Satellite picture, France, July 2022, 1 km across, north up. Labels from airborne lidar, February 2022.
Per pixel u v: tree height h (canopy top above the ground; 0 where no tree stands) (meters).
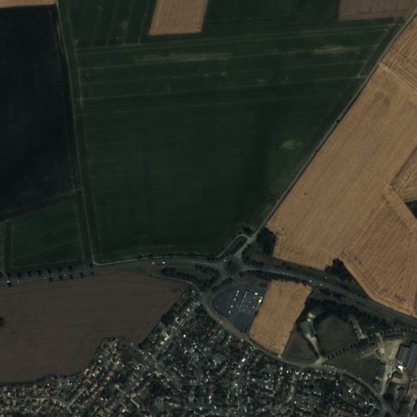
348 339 0
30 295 0
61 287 0
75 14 0
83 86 0
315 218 0
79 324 0
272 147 0
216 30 0
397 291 0
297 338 0
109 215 0
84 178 0
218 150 0
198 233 0
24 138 0
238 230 0
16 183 0
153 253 0
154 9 0
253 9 0
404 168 0
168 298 0
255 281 0
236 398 8
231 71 0
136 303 0
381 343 0
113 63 0
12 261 0
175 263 0
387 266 0
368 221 0
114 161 0
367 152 0
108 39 0
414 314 0
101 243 0
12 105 0
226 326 0
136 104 0
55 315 0
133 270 0
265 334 0
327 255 0
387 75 0
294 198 0
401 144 0
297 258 0
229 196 0
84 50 0
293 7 0
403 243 0
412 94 0
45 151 0
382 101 0
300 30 0
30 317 0
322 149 0
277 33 0
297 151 0
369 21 0
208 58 0
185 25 0
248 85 0
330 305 15
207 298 0
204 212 0
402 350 0
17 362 0
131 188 0
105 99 0
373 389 0
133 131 0
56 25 0
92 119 0
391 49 0
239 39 0
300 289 0
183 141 0
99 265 0
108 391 0
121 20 0
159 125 0
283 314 0
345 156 0
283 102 0
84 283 0
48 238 0
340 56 0
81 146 0
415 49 0
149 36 0
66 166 0
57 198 0
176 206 0
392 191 0
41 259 0
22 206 0
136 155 0
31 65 0
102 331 0
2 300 0
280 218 0
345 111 0
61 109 0
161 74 0
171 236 0
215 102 0
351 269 0
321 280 0
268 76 0
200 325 0
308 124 0
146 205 0
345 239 0
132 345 0
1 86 0
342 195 0
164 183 0
